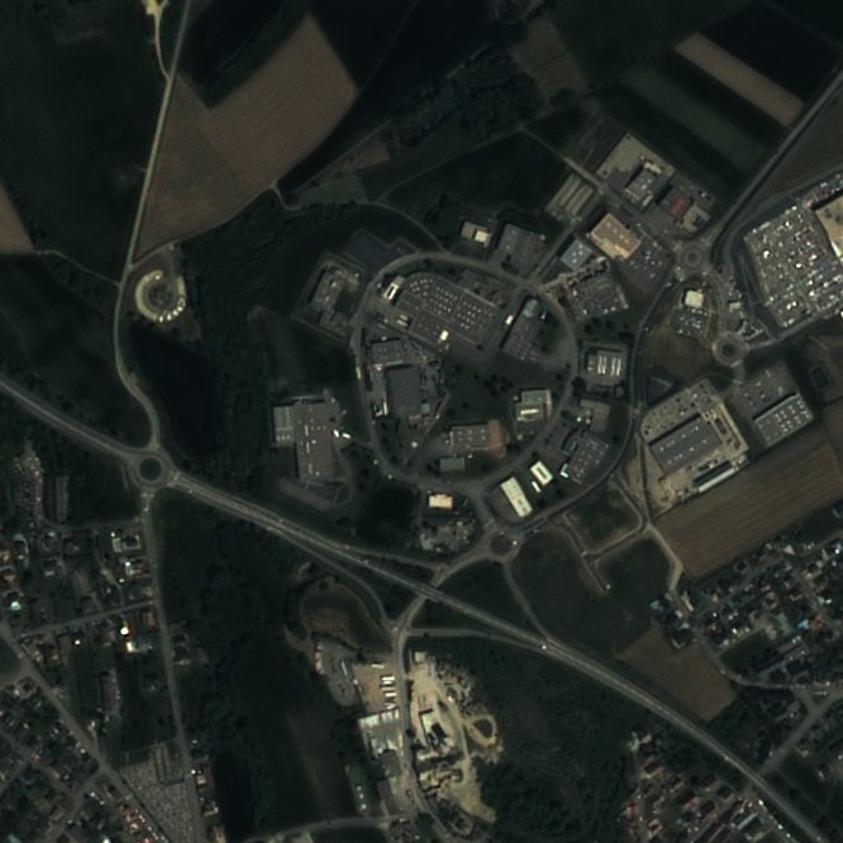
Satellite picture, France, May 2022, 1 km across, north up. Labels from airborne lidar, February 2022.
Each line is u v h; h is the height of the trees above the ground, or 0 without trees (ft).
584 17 0
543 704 0
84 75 0
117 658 24
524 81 50
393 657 0
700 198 0
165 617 0
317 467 0
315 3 0
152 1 0
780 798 0
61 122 0
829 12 0
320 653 0
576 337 0
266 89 0
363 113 0
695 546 0
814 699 0
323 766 0
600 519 0
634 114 0
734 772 23
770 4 0
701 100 0
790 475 0
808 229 0
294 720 0
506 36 98
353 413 0
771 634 0
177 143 0
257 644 0
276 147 0
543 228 0
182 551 0
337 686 0
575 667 0
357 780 0
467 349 0
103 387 0
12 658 0
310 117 0
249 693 0
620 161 0
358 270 0
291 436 0
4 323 0
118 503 23
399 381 0
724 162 0
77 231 0
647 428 0
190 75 0
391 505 0
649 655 0
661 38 0
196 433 0
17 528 43
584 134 0
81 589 0
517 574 0
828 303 0
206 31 0
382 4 0
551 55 0
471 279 0
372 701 0
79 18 0
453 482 0
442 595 0
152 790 0
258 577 0
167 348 0
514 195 0
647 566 0
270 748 0
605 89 0
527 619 0
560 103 38
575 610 0
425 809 0
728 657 0
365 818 0
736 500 0
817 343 0
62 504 0
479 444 0
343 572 0
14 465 0
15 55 0
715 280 0
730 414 0
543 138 0
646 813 0
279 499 0
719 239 0
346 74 0
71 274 19
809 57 0
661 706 0
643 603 0
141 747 0
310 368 0
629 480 0
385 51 0
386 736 0
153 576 0
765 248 0
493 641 0
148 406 0
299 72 0
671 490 0
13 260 0
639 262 0
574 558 0
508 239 0
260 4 0
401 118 60
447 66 0
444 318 0
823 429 0
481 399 0
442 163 0
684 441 0
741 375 0
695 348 0
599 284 0
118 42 0
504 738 0
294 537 0
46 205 0
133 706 0
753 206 0
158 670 0
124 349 0
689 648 0
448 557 28
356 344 0
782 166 0
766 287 0
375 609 0
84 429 0
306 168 0
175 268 0
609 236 0
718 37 0
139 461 0
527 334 0
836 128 0
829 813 0
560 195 0
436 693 0
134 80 0
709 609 0
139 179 0
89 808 0
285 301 0
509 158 0
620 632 0
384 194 0
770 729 35
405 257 0
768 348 0
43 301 0
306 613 0
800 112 0
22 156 0
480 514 0
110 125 0
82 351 0
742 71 0
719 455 0
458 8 0
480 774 25
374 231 0
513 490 0
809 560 0
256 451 28
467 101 52
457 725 0
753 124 0
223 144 0
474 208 0
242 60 21
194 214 0
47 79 0
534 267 0
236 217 0
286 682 0
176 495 0
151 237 0
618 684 0
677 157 0
